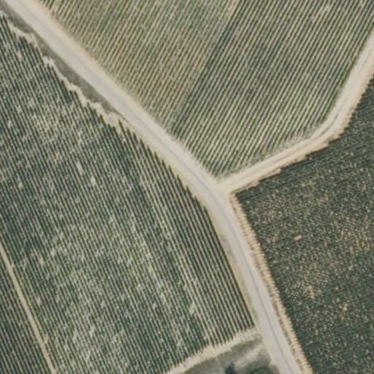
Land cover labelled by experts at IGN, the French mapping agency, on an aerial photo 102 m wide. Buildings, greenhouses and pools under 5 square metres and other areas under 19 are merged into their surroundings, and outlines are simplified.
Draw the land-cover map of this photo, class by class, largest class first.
<instances>
[{"label":"vineyard","instance_id":"1","mask_svg":"<svg viewBox=\"0 0 374 374\"><path fill-rule=\"evenodd\" d=\"M129 120L117 108L112 107L104 96L99 95L85 79L77 75L56 51L51 50L45 39L25 20L19 18L4 0H0V374H165L175 365L202 351L207 345L225 343L237 333L254 327L253 317L245 304L243 292L238 286L218 232L210 219L209 210L191 194L190 188L183 186L181 178L165 164L164 159L159 158L158 153L152 152L142 139H137L136 133H131ZM50 10L51 19L63 26V31L75 39L112 80L126 89L131 98L142 105L143 110L155 118L162 129L180 140L181 145L187 146L191 155L213 177L221 175L226 178L243 171L244 168L259 164L267 156L278 152L280 145L292 137L302 136L308 139L310 134L329 117L346 80L354 70L356 61L367 45L368 38L371 37V32L374 31V0H41ZM243 207L245 218L256 235L257 243L260 244L267 269L285 307L286 316L291 320L292 329L313 374H374V75L362 93L361 101L352 112L348 126L336 139L329 140L326 148L307 153L301 161L280 168L278 174L260 178L256 186L243 188L235 193Z\"/></svg>","mask_w":374,"mask_h":374},{"label":"pervious surface","instance_id":"2","mask_svg":"<svg viewBox=\"0 0 374 374\"><path fill-rule=\"evenodd\" d=\"M19 18L25 20L45 39L51 50L56 51L77 75L85 79L99 95L104 96L112 107L117 108L129 120L131 133H136L137 139H142L152 152L158 153L159 158L164 159L165 164L181 178L183 186L190 188L191 194L209 210L210 219L218 232L238 286L243 292L245 304L253 317L254 327L237 333L225 343L207 345L202 351L175 365L165 374H183L194 365L231 351L235 345L247 340L253 342L254 348L237 359L235 370L247 367L256 359L269 358L270 365L278 368L279 374H313L292 329L291 320L286 316L285 307L267 269L260 244L257 243L256 235L245 218L243 207L235 193L243 188L256 186L260 178L278 174L280 168L301 161L307 153L326 148L329 140L336 139L348 126L352 112L361 101L362 93L374 75V31L371 32V37L368 38L367 45L356 61L354 70L346 80L329 117L310 134L308 139L302 136L292 137L280 145L278 152L267 156L259 164L244 168L243 171L226 178L221 175L213 177L191 155L187 146L181 145L180 140L162 129L155 118L143 110L142 105L131 98L126 89L112 80L75 39L63 31V26L51 19L50 10L41 0H4Z\"/></svg>","mask_w":374,"mask_h":374},{"label":"herbaceous vegetation","instance_id":"3","mask_svg":"<svg viewBox=\"0 0 374 374\"><path fill-rule=\"evenodd\" d=\"M254 348L253 342L247 340L235 345L231 351L194 365L183 374H279L278 368L270 365L269 358L256 359L247 367L235 370L237 359Z\"/></svg>","mask_w":374,"mask_h":374}]
</instances>
